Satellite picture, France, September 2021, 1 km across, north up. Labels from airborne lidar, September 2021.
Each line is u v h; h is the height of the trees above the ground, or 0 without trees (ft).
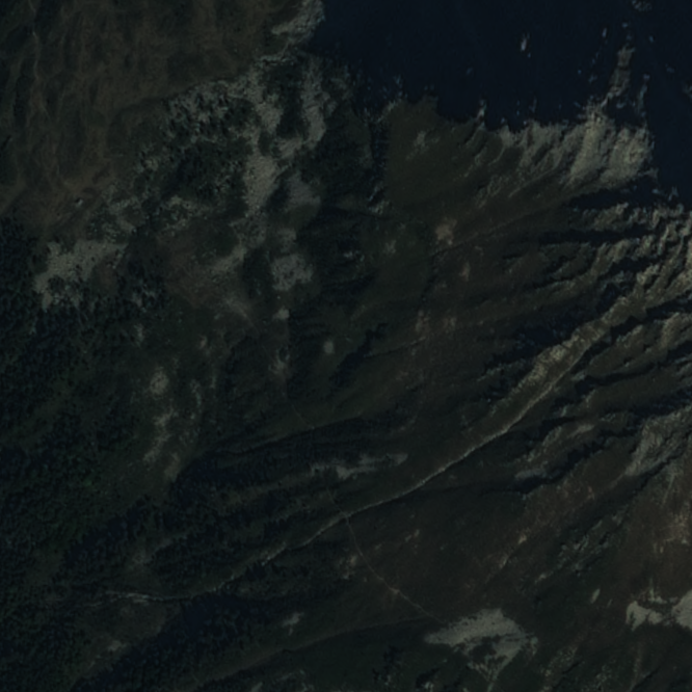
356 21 0
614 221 0
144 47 0
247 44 0
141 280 31
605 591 0
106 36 0
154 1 0
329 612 0
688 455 0
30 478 65
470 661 0
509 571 0
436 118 0
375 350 0
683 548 0
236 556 30
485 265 0
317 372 0
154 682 40
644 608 0
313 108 0
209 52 0
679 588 0
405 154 0
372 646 0
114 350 18
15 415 62
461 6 0
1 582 29
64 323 59
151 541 23
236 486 23
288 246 0
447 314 0
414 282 0
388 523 0
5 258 63
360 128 0
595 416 0
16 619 25
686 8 0
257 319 0
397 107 0
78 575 26
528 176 0
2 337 94
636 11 0
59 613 21
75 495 32
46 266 0
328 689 0
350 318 0
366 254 0
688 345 0
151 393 0
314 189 0
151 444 0
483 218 0
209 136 30
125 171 0
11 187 0
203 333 0
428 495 0
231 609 27
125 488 0
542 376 0
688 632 0
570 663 0
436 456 0
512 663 0
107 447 27
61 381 27
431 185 0
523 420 0
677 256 0
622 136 0
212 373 0
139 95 0
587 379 0
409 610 0
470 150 0
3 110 0
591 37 0
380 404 0
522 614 0
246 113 25
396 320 0
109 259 0
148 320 27
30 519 37
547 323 0
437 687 0
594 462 0
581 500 0
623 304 0
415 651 0
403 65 0
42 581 0
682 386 0
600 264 0
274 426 0
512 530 0
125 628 0
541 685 0
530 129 0
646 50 0
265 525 0
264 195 0
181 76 0
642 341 0
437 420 0
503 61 19
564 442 0
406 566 0
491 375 0
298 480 0
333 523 0
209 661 32
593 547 0
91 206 0
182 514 29
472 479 0
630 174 0
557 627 0
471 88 0
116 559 48
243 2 0
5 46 0
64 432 21
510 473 0
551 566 0
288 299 0
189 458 0
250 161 0
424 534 0
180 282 0
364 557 0
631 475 0
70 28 0
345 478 0
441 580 0
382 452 0
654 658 0
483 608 0
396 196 0
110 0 0
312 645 0
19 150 0
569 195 0
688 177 23
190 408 0
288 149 0
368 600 0
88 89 0
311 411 0
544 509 0
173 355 0
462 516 0
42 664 30
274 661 0
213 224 0
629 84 0
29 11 0
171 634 30
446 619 0
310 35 0
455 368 0
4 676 38
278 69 0
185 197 0
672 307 0
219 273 0
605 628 0
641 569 0
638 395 0
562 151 0
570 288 0
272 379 0
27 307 33
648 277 0
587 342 0
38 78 0
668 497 0
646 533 0
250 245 0
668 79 0
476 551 0
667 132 0
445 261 0
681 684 0
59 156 0
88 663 0
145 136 0
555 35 0
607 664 0
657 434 0
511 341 0
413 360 0
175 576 26
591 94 0
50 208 0
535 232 0
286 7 0
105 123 0
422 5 0
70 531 34
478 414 0
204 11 0
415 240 0
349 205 0
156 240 0
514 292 0
